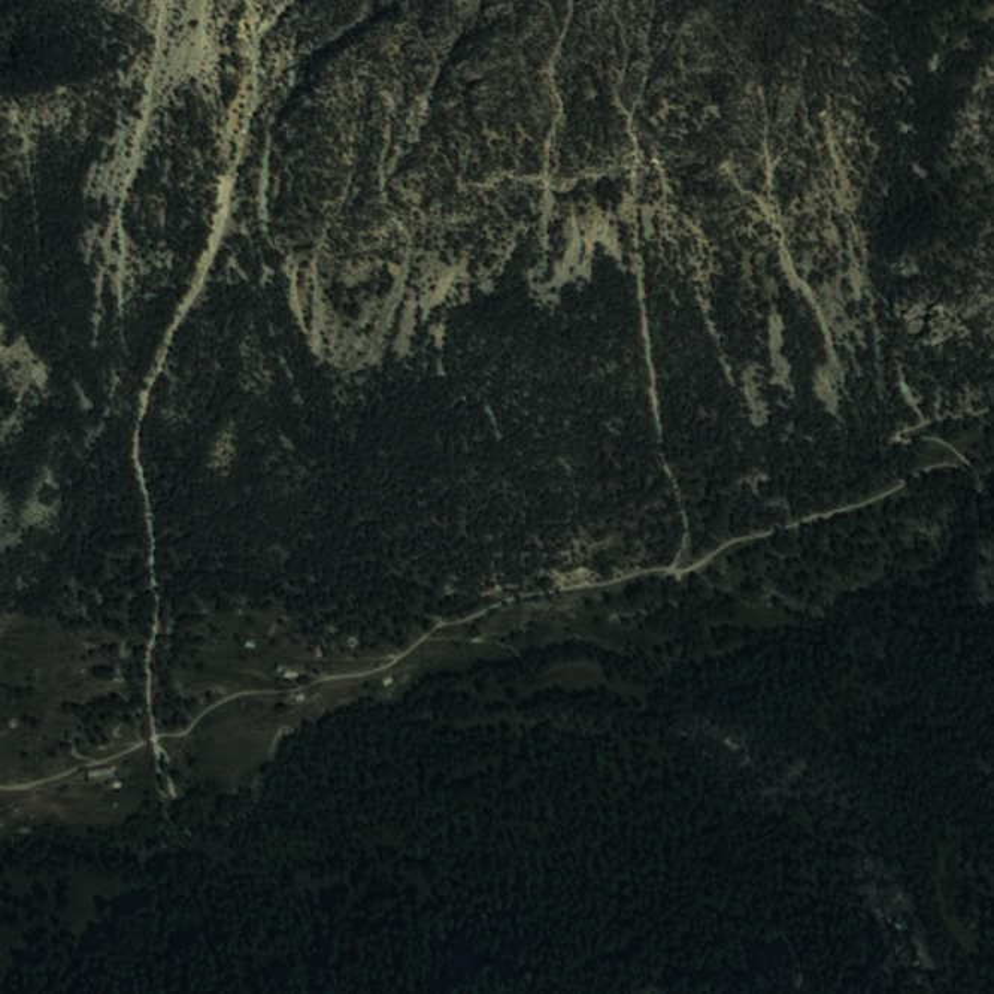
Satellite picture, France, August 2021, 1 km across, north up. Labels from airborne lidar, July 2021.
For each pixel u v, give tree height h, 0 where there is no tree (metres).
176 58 0
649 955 27
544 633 0
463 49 10
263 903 17
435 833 15
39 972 24
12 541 0
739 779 11
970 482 16
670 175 7
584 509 10
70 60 11
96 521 11
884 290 8
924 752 24
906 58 12
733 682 13
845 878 11
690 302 6
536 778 20
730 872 16
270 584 11
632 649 8
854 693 8
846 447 7
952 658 22
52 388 8
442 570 13
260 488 13
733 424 11
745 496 8
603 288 8
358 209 8
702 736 8
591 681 0
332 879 18
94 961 20
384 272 7
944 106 11
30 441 7
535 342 8
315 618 9
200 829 10
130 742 0
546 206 0
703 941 25
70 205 10
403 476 9
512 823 17
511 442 9
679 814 21
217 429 8
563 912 25
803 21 9
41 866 14
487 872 17
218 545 10
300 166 5
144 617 16
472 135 6
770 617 0
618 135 6
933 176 13
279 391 8
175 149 8
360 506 10
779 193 7
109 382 8
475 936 19
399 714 15
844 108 9
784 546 20
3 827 0
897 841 13
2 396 7
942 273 10
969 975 25
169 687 12
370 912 13
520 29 10
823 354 7
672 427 11
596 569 6
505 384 6
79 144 9
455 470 8
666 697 11
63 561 14
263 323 6
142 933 23
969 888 8
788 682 13
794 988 7
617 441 12
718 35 6
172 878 24
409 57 8
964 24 9
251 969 7
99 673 12
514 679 19
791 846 13
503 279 7
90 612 9
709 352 9
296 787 14
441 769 20
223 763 0
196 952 22
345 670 0
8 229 7
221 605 10
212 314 7
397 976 20
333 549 13
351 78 8
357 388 8
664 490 19
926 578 10
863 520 18
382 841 8
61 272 9
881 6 12
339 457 8
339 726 11
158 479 8
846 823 13
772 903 20
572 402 10
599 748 14
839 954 18
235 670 0
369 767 15
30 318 11
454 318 7
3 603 8
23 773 0
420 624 15
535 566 7
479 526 11
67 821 0
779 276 7
